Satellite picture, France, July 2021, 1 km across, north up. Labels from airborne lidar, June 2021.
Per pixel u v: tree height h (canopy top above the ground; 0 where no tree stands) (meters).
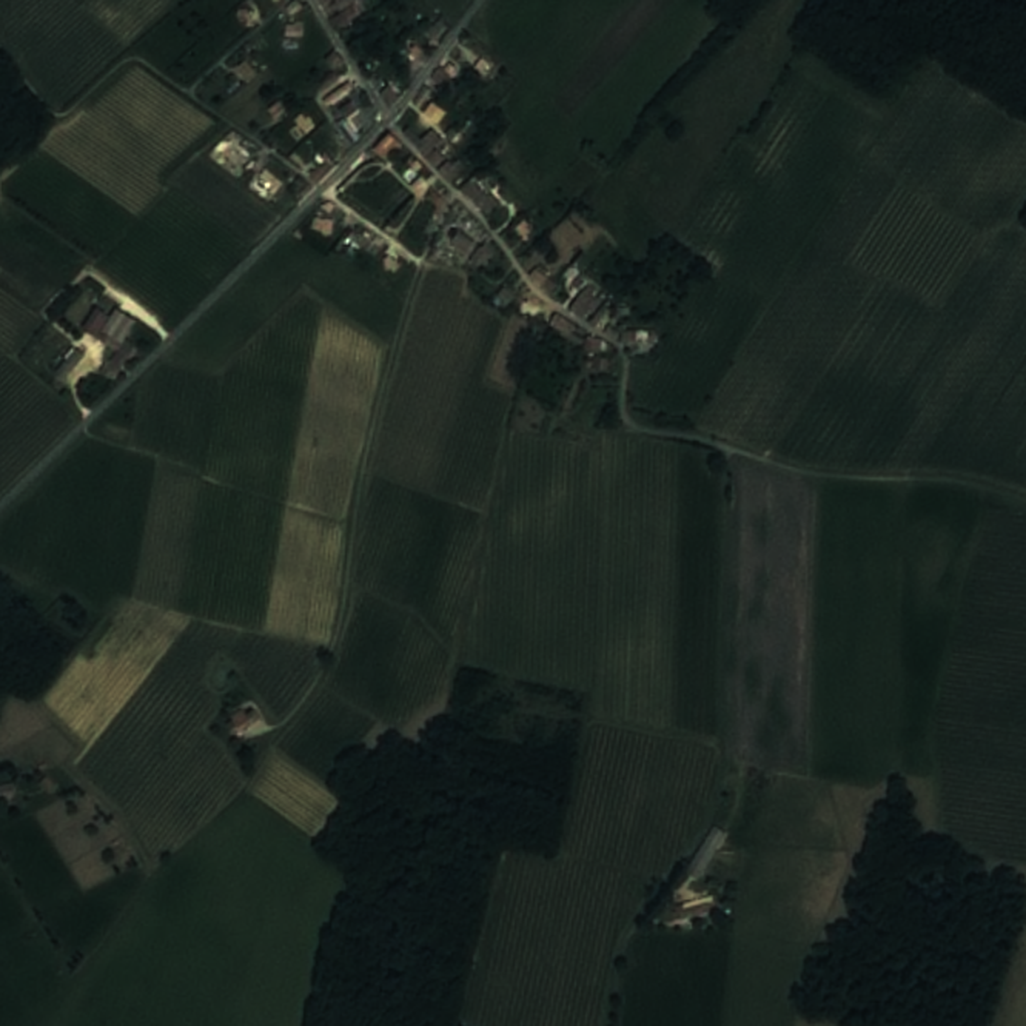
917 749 0
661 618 0
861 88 7
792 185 0
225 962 0
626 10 0
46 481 0
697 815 0
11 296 0
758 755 0
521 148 0
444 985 21
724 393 0
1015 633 0
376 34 12
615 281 10
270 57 0
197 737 0
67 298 11
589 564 0
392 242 0
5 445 0
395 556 0
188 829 0
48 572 0
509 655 0
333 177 0
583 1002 0
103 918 0
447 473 0
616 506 0
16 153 19
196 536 0
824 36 20
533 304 0
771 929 0
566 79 0
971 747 0
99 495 0
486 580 0
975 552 0
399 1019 21
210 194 0
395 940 27
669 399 0
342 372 0
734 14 7
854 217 0
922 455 0
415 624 0
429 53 8
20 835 0
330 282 0
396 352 0
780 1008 0
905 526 0
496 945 0
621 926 0
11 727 0
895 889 29
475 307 0
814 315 0
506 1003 0
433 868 28
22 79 13
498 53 0
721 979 0
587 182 0
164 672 0
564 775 9
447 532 0
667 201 0
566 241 0
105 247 0
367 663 0
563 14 0
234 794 0
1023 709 0
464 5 0
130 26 0
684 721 0
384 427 0
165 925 0
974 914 27
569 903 0
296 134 0
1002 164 0
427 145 0
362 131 8
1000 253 0
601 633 0
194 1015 0
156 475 0
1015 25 24
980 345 0
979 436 0
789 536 0
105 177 0
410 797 30
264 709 0
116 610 0
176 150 0
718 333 0
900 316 0
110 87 0
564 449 0
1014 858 0
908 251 0
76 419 0
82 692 0
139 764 0
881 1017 23
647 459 0
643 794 0
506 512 0
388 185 0
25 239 0
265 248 0
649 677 0
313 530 0
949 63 17
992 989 18
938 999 27
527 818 17
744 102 0
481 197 0
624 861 0
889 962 19
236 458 0
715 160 0
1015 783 0
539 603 0
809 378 0
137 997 0
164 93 0
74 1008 0
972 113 0
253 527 0
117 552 0
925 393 0
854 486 0
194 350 0
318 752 0
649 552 0
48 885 0
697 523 0
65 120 0
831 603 0
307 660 0
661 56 0
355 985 19
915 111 0
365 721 0
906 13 25
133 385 0
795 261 0
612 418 14
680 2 0
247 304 0
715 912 11
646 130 8
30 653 23
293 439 0
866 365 0
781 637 0
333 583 0
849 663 0
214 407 0
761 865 0
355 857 17
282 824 0
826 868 0
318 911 0
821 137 0
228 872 0
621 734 0
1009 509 0
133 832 0
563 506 0
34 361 0
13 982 0
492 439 0
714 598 0
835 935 20
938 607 0
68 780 0
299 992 0
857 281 0
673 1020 0
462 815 26
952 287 0
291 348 0
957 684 0
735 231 0
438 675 0
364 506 0
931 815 0
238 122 0
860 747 0
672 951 0
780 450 0
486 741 9
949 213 0
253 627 0
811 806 0
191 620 0
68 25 0
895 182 0
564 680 0
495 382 0
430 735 16
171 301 0
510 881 0
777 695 0
